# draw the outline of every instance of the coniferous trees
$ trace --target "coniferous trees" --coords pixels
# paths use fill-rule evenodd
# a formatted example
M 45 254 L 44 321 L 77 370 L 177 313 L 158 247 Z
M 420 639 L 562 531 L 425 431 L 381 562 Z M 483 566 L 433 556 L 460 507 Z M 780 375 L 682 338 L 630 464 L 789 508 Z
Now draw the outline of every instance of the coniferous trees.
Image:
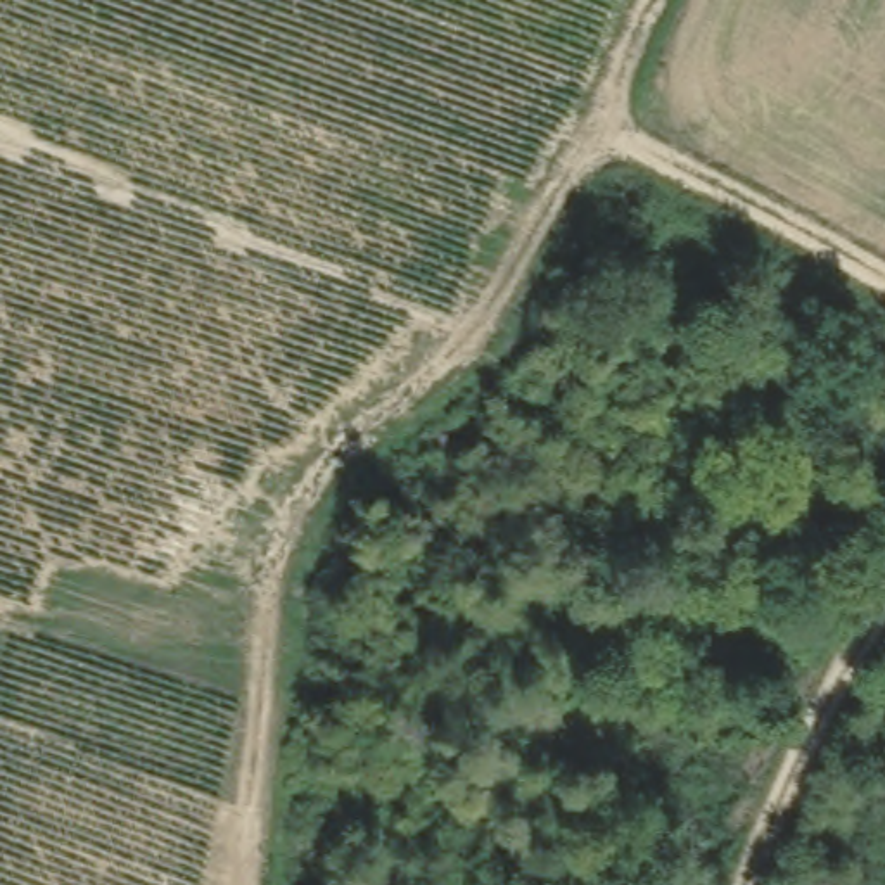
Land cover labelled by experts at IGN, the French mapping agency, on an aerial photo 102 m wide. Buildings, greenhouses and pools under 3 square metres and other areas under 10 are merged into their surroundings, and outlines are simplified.
M 494 840 L 519 854 L 529 847 L 529 823 L 512 819 Z
M 563 716 L 570 712 L 567 688 L 574 684 L 570 657 L 550 653 L 539 664 L 539 681 L 501 698 L 498 709 L 484 716 L 487 726 L 557 729 L 563 723 Z
M 456 747 L 429 740 L 425 723 L 394 716 L 391 740 L 408 740 L 422 754 L 425 767 L 436 767 L 436 757 L 453 757 Z
M 439 501 L 429 519 L 401 515 L 377 501 L 366 512 L 366 525 L 360 532 L 363 543 L 353 550 L 353 560 L 363 570 L 387 570 L 394 563 L 408 563 L 422 557 L 439 525 L 453 525 L 456 536 L 449 546 L 474 553 L 474 563 L 460 577 L 463 588 L 456 591 L 456 608 L 463 612 L 463 619 L 498 636 L 525 622 L 529 602 L 543 602 L 560 605 L 581 626 L 598 629 L 615 612 L 615 598 L 633 598 L 636 588 L 660 581 L 660 567 L 615 570 L 605 557 L 584 557 L 581 543 L 563 539 L 563 529 L 577 522 L 574 508 L 581 505 L 581 498 L 598 487 L 602 446 L 595 446 L 591 453 L 563 449 L 560 460 L 536 460 L 536 470 L 522 484 L 491 484 L 484 494 L 456 487 L 456 494 L 449 501 Z
M 577 788 L 570 788 L 550 778 L 546 771 L 536 774 L 522 767 L 519 757 L 505 754 L 501 747 L 481 747 L 477 757 L 467 757 L 460 764 L 449 785 L 432 785 L 436 802 L 443 802 L 460 823 L 477 823 L 491 809 L 498 781 L 512 781 L 519 799 L 536 799 L 543 792 L 560 795 L 560 802 L 574 812 L 615 795 L 615 774 L 588 774 Z

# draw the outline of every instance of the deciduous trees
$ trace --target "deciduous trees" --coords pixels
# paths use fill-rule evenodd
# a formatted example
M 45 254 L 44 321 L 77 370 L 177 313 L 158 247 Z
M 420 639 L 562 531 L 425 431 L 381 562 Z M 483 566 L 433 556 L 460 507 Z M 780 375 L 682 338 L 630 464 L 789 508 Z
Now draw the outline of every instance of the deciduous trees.
M 671 245 L 650 245 L 650 252 L 570 252 L 563 259 L 563 273 L 557 277 L 553 294 L 546 294 L 543 301 L 543 328 L 553 332 L 553 346 L 529 353 L 505 377 L 505 387 L 515 394 L 512 404 L 491 401 L 487 429 L 467 422 L 446 436 L 418 439 L 418 453 L 446 453 L 443 474 L 418 470 L 401 477 L 404 498 L 394 498 L 380 487 L 356 487 L 346 501 L 349 522 L 328 522 L 325 550 L 304 574 L 308 653 L 297 664 L 294 695 L 280 695 L 273 688 L 273 757 L 266 785 L 270 802 L 263 826 L 259 885 L 729 885 L 736 861 L 750 868 L 754 850 L 743 840 L 754 826 L 757 805 L 764 802 L 781 767 L 785 750 L 802 750 L 805 736 L 812 733 L 809 723 L 802 723 L 802 712 L 816 712 L 826 698 L 823 674 L 830 660 L 847 660 L 854 636 L 868 633 L 885 619 L 885 301 L 857 315 L 830 311 L 819 301 L 805 301 L 799 315 L 785 322 L 781 290 L 792 283 L 795 259 L 805 252 L 785 242 L 781 235 L 767 232 L 761 239 L 757 259 L 733 259 L 733 270 L 723 277 L 723 283 L 733 294 L 719 308 L 702 308 L 695 322 L 684 328 L 671 328 L 667 322 L 674 308 Z M 560 460 L 563 449 L 591 453 L 595 446 L 602 446 L 598 487 L 581 498 L 581 505 L 574 508 L 577 522 L 563 529 L 563 539 L 581 543 L 584 557 L 605 557 L 615 570 L 660 567 L 660 581 L 636 588 L 633 598 L 615 598 L 615 612 L 598 629 L 581 626 L 560 605 L 543 602 L 529 602 L 525 622 L 498 636 L 463 619 L 463 612 L 456 608 L 456 591 L 463 588 L 460 577 L 474 563 L 474 553 L 449 546 L 456 536 L 453 525 L 439 525 L 422 557 L 408 563 L 394 563 L 387 570 L 363 570 L 353 560 L 353 550 L 363 543 L 360 532 L 366 525 L 366 512 L 377 501 L 401 515 L 429 519 L 439 501 L 449 501 L 456 494 L 456 487 L 484 494 L 491 484 L 522 484 L 536 470 L 536 460 Z M 550 653 L 570 657 L 574 684 L 567 688 L 570 712 L 563 716 L 563 723 L 557 729 L 487 726 L 484 716 L 498 709 L 501 698 L 539 681 L 539 664 Z M 422 754 L 408 740 L 391 740 L 394 716 L 425 723 L 429 740 L 456 747 L 453 757 L 436 757 L 436 767 L 425 767 Z M 615 774 L 615 795 L 574 812 L 560 802 L 560 795 L 543 792 L 536 799 L 519 799 L 512 781 L 498 781 L 491 809 L 477 823 L 460 823 L 443 802 L 436 802 L 432 785 L 449 785 L 460 764 L 467 757 L 477 757 L 481 747 L 501 747 L 505 754 L 519 757 L 522 767 L 536 774 L 546 771 L 550 778 L 570 788 L 577 788 L 588 774 Z M 494 840 L 512 819 L 529 823 L 529 847 L 519 854 Z
M 754 878 L 754 885 L 885 885 L 885 678 L 878 671 L 854 667 L 850 681 L 844 681 L 861 698 L 861 716 L 833 729 L 833 740 L 823 754 L 823 771 L 809 781 L 812 799 L 805 805 L 795 840 L 781 850 L 774 875 Z

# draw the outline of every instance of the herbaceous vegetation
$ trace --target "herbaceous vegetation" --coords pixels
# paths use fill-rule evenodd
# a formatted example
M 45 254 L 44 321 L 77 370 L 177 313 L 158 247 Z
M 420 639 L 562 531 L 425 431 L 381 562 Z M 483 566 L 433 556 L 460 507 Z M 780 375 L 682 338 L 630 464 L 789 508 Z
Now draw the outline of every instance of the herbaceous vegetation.
M 394 498 L 404 498 L 401 477 L 418 470 L 443 474 L 446 453 L 418 453 L 418 439 L 446 436 L 467 422 L 487 429 L 491 401 L 512 404 L 515 394 L 505 387 L 505 377 L 529 353 L 553 346 L 553 332 L 543 328 L 543 301 L 546 294 L 553 294 L 557 277 L 563 273 L 563 259 L 570 252 L 650 252 L 650 245 L 671 245 L 674 308 L 667 322 L 671 328 L 684 328 L 695 322 L 702 308 L 719 308 L 733 294 L 723 283 L 723 277 L 733 270 L 733 259 L 757 259 L 761 239 L 767 232 L 736 207 L 702 197 L 633 159 L 608 159 L 591 176 L 584 176 L 581 187 L 567 194 L 563 211 L 529 270 L 525 290 L 505 308 L 498 328 L 481 346 L 477 363 L 456 366 L 443 380 L 436 380 L 404 418 L 391 418 L 380 429 L 377 446 L 366 449 L 356 429 L 346 432 L 346 446 L 339 449 L 339 470 L 322 501 L 308 512 L 280 584 L 273 688 L 280 695 L 294 695 L 297 664 L 308 653 L 304 574 L 325 550 L 328 522 L 349 522 L 346 501 L 356 487 L 380 487 Z
M 239 702 L 245 702 L 245 653 L 256 595 L 221 560 L 207 560 L 204 570 L 194 567 L 173 588 L 149 588 L 121 581 L 104 570 L 59 570 L 48 584 L 41 615 L 0 612 L 0 653 L 7 633 L 45 633 L 66 643 L 149 664 L 187 684 L 232 691 Z
M 799 315 L 805 301 L 819 301 L 830 311 L 857 315 L 885 301 L 885 287 L 875 290 L 850 280 L 826 252 L 805 252 L 795 259 L 792 283 L 781 290 L 785 322 Z

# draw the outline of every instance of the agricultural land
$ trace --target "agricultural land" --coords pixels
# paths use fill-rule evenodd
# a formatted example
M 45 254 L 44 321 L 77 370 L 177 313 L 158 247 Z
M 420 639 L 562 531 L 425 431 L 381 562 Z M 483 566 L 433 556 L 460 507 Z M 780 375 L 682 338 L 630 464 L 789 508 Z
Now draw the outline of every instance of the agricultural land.
M 844 235 L 857 249 L 885 259 L 885 0 L 667 0 L 657 24 L 650 28 L 646 48 L 633 73 L 633 128 L 764 194 L 767 201 L 816 221 L 819 228 Z

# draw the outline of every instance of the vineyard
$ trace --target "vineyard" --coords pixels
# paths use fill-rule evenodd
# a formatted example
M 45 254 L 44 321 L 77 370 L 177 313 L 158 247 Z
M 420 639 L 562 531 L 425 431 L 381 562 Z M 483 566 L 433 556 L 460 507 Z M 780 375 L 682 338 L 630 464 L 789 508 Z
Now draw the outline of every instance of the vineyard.
M 263 474 L 259 487 L 280 498 L 290 494 L 304 470 L 322 456 L 322 446 L 311 443 L 287 467 Z
M 66 643 L 45 633 L 7 633 L 0 653 L 0 885 L 201 885 L 218 805 L 235 802 L 245 702 L 239 702 L 232 691 L 187 684 L 149 664 Z
M 273 512 L 256 498 L 249 508 L 228 512 L 235 536 L 256 539 L 266 532 L 266 519 Z
M 512 228 L 494 228 L 487 235 L 481 228 L 491 194 L 505 194 L 508 201 L 522 204 L 532 201 L 525 176 L 536 166 L 539 145 L 567 114 L 591 114 L 595 93 L 602 90 L 608 73 L 608 55 L 622 38 L 622 28 L 636 0 L 0 0 L 0 612 L 41 615 L 48 584 L 59 570 L 104 570 L 121 581 L 149 588 L 173 588 L 194 567 L 190 546 L 211 543 L 207 536 L 214 532 L 218 519 L 194 501 L 201 487 L 183 477 L 183 470 L 197 467 L 221 481 L 242 481 L 256 449 L 290 439 L 304 415 L 315 415 L 328 401 L 328 394 L 339 391 L 339 384 L 346 384 L 360 370 L 360 363 L 373 356 L 373 349 L 387 342 L 387 335 L 398 325 L 408 322 L 404 311 L 370 301 L 373 290 L 387 290 L 418 301 L 422 308 L 449 315 L 460 283 L 487 283 L 498 256 L 512 239 Z

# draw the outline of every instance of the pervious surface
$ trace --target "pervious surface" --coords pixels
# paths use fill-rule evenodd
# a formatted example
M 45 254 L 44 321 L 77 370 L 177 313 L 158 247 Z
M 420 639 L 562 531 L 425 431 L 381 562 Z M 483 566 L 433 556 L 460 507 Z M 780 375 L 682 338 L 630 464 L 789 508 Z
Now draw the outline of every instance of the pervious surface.
M 816 221 L 767 201 L 764 194 L 633 128 L 633 73 L 646 48 L 650 28 L 657 24 L 667 0 L 636 0 L 622 28 L 622 38 L 608 55 L 608 73 L 602 90 L 595 93 L 591 114 L 567 114 L 539 145 L 536 166 L 525 176 L 532 201 L 522 204 L 508 201 L 505 194 L 491 194 L 481 228 L 487 235 L 494 228 L 512 228 L 512 239 L 498 256 L 487 283 L 460 283 L 449 315 L 422 308 L 418 301 L 387 290 L 373 290 L 370 301 L 404 311 L 408 322 L 398 325 L 387 335 L 387 342 L 373 349 L 373 356 L 360 363 L 360 370 L 346 384 L 339 384 L 339 391 L 328 394 L 328 401 L 315 415 L 304 415 L 290 439 L 256 449 L 242 481 L 221 481 L 197 467 L 183 470 L 183 477 L 201 487 L 194 501 L 218 519 L 214 532 L 207 536 L 211 543 L 190 546 L 194 567 L 204 570 L 207 560 L 221 560 L 256 595 L 245 653 L 245 702 L 235 802 L 218 805 L 201 885 L 259 885 L 263 826 L 270 802 L 266 785 L 273 757 L 273 688 L 280 584 L 308 512 L 322 501 L 339 470 L 339 449 L 346 446 L 346 432 L 356 429 L 366 449 L 377 446 L 380 429 L 391 418 L 404 418 L 436 380 L 443 380 L 456 366 L 477 363 L 481 346 L 498 328 L 505 308 L 525 290 L 529 270 L 563 211 L 567 194 L 581 187 L 584 176 L 591 176 L 608 159 L 633 159 L 702 197 L 736 207 L 767 232 L 781 235 L 785 242 L 805 252 L 826 252 L 850 280 L 875 290 L 885 287 L 885 259 L 857 249 L 844 235 L 819 228 Z M 322 456 L 304 470 L 290 494 L 280 498 L 259 487 L 263 474 L 287 467 L 311 443 L 322 446 Z M 256 498 L 273 512 L 266 519 L 266 532 L 256 539 L 235 536 L 228 512 L 249 508 Z
M 802 750 L 785 750 L 781 767 L 764 802 L 757 805 L 754 826 L 743 840 L 754 850 L 750 868 L 736 861 L 729 885 L 754 885 L 754 878 L 774 875 L 781 850 L 795 840 L 805 805 L 812 799 L 809 781 L 823 771 L 823 754 L 833 740 L 833 729 L 861 716 L 861 698 L 844 681 L 850 681 L 854 667 L 878 671 L 885 678 L 885 619 L 868 633 L 854 636 L 847 660 L 830 660 L 823 674 L 826 698 L 816 712 L 802 712 L 802 723 L 809 723 L 812 733 L 805 736 Z

